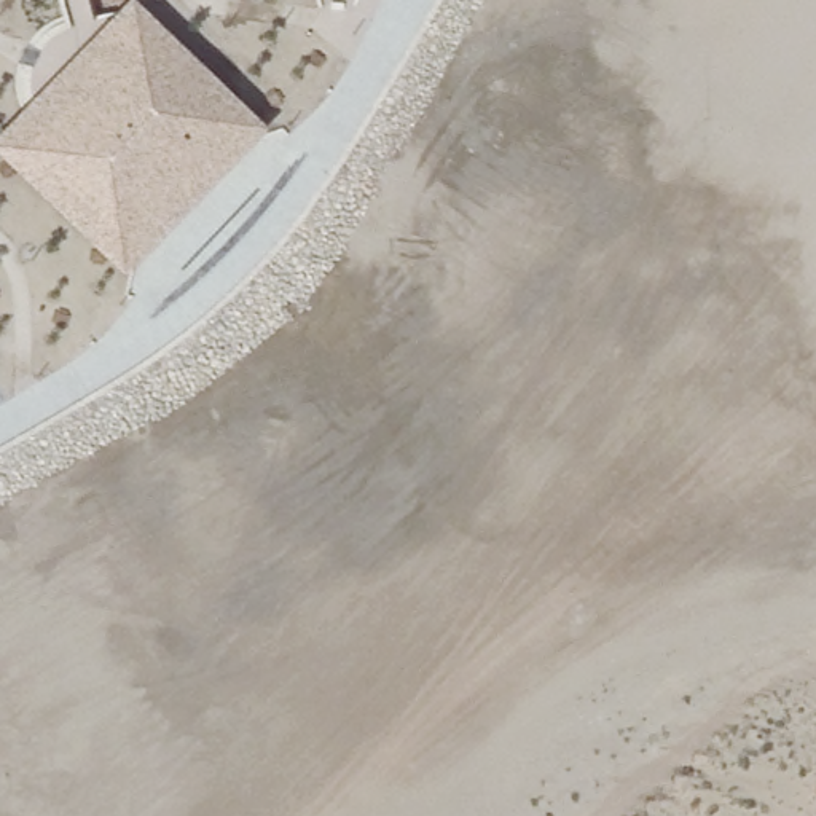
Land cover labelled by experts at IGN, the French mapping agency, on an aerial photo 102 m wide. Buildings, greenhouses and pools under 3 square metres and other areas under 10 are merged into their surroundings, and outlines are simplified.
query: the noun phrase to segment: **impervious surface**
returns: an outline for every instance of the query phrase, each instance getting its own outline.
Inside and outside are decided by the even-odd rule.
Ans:
[[[0,131],[19,121],[38,96],[48,92],[51,83],[64,80],[64,73],[108,32],[115,16],[92,13],[89,0],[0,0]]]
[[[367,268],[389,249],[389,239],[411,230],[414,191],[427,182],[427,172],[418,166],[398,159],[389,166],[389,172],[383,172],[383,198],[367,201],[367,230],[351,236],[344,255],[357,258]]]
[[[70,230],[64,223],[64,214],[0,159],[0,443],[13,440],[26,424],[51,414],[70,398],[89,392],[102,379],[128,370],[140,357],[150,354],[153,360],[159,360],[172,354],[179,344],[191,341],[194,332],[217,316],[217,309],[226,300],[245,290],[249,281],[258,271],[265,271],[265,265],[274,255],[284,252],[287,239],[303,226],[312,204],[325,194],[328,182],[338,175],[354,143],[363,137],[370,118],[383,105],[392,105],[389,89],[402,80],[405,67],[392,64],[383,70],[357,70],[354,64],[347,64],[338,86],[300,124],[281,108],[284,89],[268,89],[265,99],[277,108],[277,115],[274,121],[265,121],[271,131],[191,207],[188,217],[179,220],[172,233],[166,233],[166,239],[159,239],[159,245],[140,261],[140,268],[131,277],[118,274],[89,236]]]

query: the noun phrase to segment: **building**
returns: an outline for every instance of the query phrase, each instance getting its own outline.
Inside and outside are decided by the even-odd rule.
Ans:
[[[89,236],[118,274],[131,277],[140,268],[140,261],[159,245],[159,239],[166,239],[166,233],[172,233],[179,220],[188,217],[191,207],[271,131],[265,121],[245,102],[239,102],[140,3],[115,16],[108,32],[64,73],[64,80],[51,83],[48,92],[38,96],[19,121],[0,131],[0,159],[64,214],[64,223],[70,230]]]

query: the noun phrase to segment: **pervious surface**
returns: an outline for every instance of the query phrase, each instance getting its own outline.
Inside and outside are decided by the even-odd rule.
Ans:
[[[344,255],[351,236],[367,230],[367,201],[383,198],[383,172],[389,172],[389,166],[398,159],[418,166],[421,150],[411,140],[411,131],[424,115],[434,89],[440,86],[456,45],[465,38],[465,32],[485,29],[485,13],[504,13],[507,0],[443,0],[434,16],[437,35],[424,35],[405,67],[402,80],[389,89],[392,105],[383,105],[370,118],[363,137],[354,143],[338,175],[328,182],[325,194],[312,204],[303,226],[287,239],[284,252],[274,255],[265,265],[265,271],[258,271],[249,281],[245,290],[226,300],[217,309],[217,316],[194,332],[191,341],[179,344],[172,354],[159,360],[153,360],[150,354],[140,357],[128,370],[102,379],[89,392],[70,398],[51,414],[26,424],[13,440],[0,443],[0,497],[6,500],[13,491],[32,488],[38,475],[67,469],[77,459],[89,459],[96,456],[96,449],[128,437],[131,430],[169,418],[198,389],[204,389],[245,354],[252,354],[271,332],[287,325],[287,303],[309,309],[309,296],[332,271],[338,255]]]

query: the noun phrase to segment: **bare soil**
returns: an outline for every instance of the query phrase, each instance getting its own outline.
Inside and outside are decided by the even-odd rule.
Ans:
[[[77,459],[67,469],[38,475],[32,488],[13,491],[6,500],[0,497],[0,816],[816,816],[816,0],[507,0],[504,13],[485,13],[485,29],[465,32],[465,38],[456,45],[440,86],[434,89],[424,115],[411,131],[411,140],[421,150],[418,166],[427,172],[427,182],[414,191],[411,230],[389,239],[389,249],[367,268],[357,258],[344,255],[338,255],[332,271],[309,296],[309,309],[287,303],[287,325],[271,332],[252,354],[245,354],[204,389],[198,389],[169,418],[131,430],[128,437],[96,449],[96,456],[89,459]]]

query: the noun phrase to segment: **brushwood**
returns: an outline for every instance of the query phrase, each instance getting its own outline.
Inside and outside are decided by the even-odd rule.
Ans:
[[[281,6],[293,0],[89,0],[92,13],[115,16],[140,3],[239,102],[245,102],[265,121],[274,121],[277,115],[277,108],[265,99],[268,89],[284,89],[281,108],[300,124],[338,86],[347,64],[354,64],[357,70],[383,70],[392,64],[405,67],[424,35],[437,35],[434,16],[443,0],[383,0],[376,19],[367,26],[360,38],[357,54],[347,61],[344,54],[319,51],[325,41],[316,29],[284,22]]]

